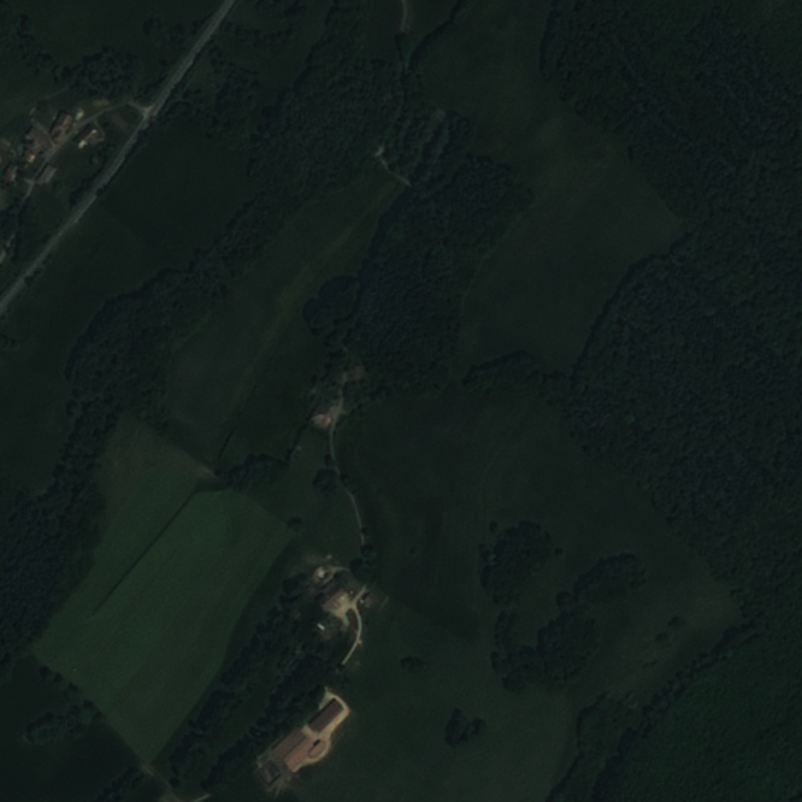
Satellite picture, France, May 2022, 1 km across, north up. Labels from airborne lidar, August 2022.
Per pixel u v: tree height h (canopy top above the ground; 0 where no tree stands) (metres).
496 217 27
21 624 19
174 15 0
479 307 0
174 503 0
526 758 0
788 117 19
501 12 0
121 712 0
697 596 0
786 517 19
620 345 20
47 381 0
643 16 17
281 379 0
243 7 0
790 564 18
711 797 16
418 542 0
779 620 18
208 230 0
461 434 0
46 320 0
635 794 17
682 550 0
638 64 25
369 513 0
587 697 0
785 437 13
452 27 13
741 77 19
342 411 0
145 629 0
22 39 17
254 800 0
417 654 0
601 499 0
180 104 11
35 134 0
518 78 0
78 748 0
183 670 0
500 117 0
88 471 22
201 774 0
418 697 0
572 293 0
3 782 0
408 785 0
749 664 15
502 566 21
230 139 17
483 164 16
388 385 14
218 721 19
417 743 0
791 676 13
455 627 0
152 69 0
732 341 18
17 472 0
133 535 0
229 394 0
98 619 0
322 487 13
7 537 8
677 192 12
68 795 0
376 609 0
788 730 16
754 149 16
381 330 25
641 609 0
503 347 0
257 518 0
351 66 20
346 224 0
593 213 0
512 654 16
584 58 16
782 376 20
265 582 0
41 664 0
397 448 0
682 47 22
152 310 19
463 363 0
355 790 0
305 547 0
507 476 0
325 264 0
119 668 0
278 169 21
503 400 0
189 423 0
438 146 21
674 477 20
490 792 0
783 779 16
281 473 24
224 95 13
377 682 0
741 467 19
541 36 0
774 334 21
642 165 15
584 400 22
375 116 21
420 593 0
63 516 21
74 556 21
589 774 20
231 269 14
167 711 0
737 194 13
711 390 14
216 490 0
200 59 7
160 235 0
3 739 0
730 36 24
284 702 21
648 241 0
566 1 19
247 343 0
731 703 15
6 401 0
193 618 0
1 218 10
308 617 0
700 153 15
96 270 0
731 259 22
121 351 18
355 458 0
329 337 25
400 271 24
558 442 0
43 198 0
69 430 0
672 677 0
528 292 0
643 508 0
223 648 0
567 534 0
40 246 10
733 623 0
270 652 19
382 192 0
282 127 15
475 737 13
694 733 16
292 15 15
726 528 20
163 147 0
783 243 21
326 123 12
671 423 20
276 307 0
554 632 17
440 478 0
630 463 17
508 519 0
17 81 0
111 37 0
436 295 22
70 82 14
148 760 0
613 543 0
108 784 0
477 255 23
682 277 20
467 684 0
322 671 20
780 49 7
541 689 13
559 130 0
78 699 20
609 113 17
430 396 15
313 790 0
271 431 0
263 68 0
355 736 0
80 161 0
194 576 0
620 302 13
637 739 24
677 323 25
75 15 0
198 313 22
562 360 0
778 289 19
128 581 0
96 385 19
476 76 0
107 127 7
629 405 19
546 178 0
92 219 0
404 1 0
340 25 14
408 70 8
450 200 26
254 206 13
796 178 19
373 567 11
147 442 0
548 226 0
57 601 19
